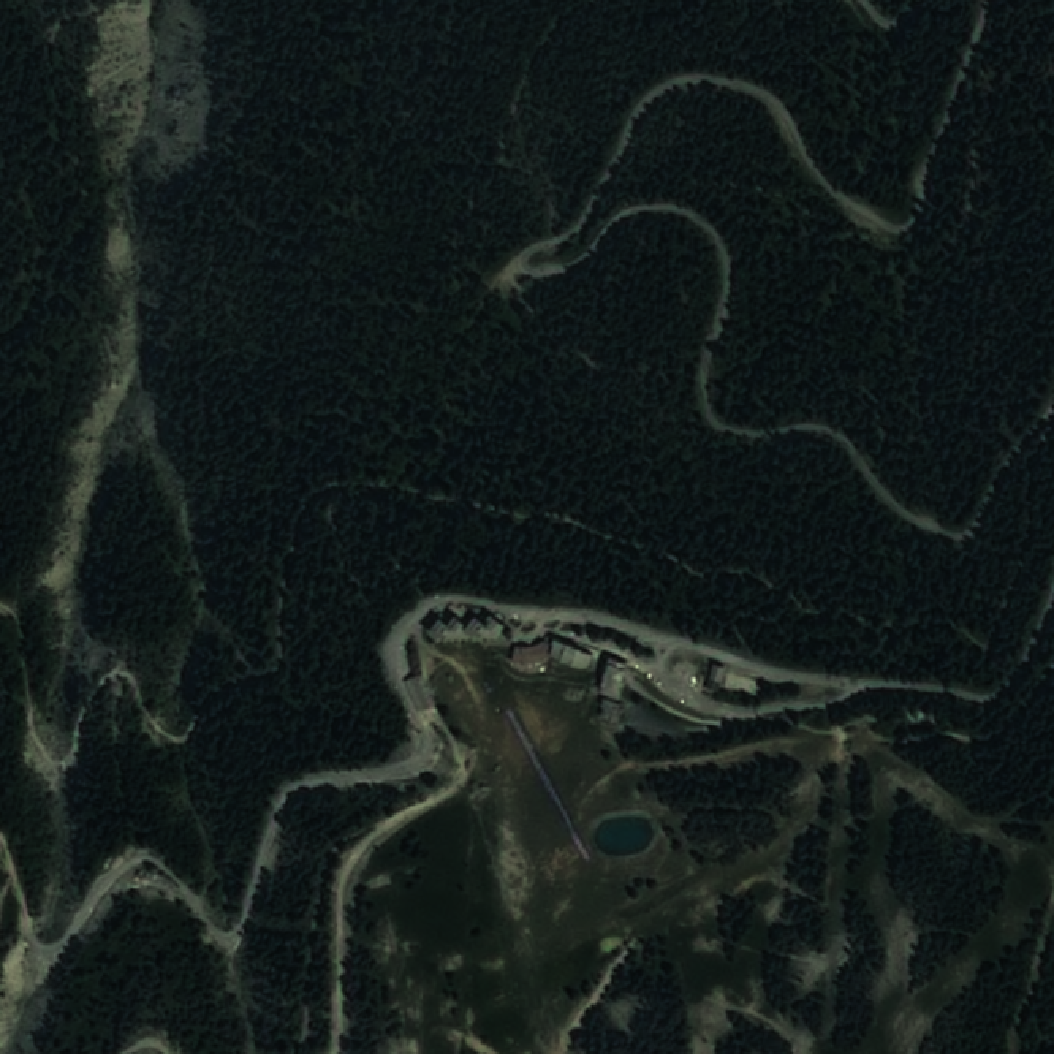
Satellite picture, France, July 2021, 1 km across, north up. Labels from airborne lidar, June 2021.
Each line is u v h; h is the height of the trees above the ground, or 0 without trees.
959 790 18
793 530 8
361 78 6
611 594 20
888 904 0
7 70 26
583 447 7
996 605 9
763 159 19
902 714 18
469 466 29
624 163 14
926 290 17
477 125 24
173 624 15
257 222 27
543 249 0
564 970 0
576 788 0
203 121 0
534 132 8
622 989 9
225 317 18
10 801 14
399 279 34
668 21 33
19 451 25
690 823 13
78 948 12
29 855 11
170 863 9
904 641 28
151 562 25
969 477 9
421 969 0
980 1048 13
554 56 13
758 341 28
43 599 10
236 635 9
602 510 13
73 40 7
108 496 11
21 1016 0
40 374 29
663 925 0
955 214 16
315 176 12
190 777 14
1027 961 13
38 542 8
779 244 10
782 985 10
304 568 12
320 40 32
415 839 9
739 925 19
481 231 23
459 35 11
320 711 19
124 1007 9
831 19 11
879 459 32
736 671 0
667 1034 11
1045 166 17
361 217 12
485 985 0
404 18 31
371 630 17
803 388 27
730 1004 0
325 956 13
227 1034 11
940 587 32
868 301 8
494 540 6
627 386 23
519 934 0
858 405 23
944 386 23
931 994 0
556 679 0
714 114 25
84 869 12
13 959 0
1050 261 31
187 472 12
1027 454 7
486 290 10
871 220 0
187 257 13
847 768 0
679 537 33
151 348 14
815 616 11
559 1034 0
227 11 14
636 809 0
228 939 0
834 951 0
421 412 9
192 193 16
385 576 7
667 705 0
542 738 0
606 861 0
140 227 10
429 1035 0
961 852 12
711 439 13
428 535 9
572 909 0
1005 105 15
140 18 0
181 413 21
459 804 0
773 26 23
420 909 0
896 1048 0
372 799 10
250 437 21
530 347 9
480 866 0
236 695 18
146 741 12
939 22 29
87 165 7
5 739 19
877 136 7
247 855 5
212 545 13
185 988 12
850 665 29
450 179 29
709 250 16
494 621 0
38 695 9
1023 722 21
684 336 18
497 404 18
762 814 14
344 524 23
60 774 0
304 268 31
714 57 19
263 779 17
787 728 27
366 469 12
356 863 0
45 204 8
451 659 0
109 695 7
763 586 23
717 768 17
